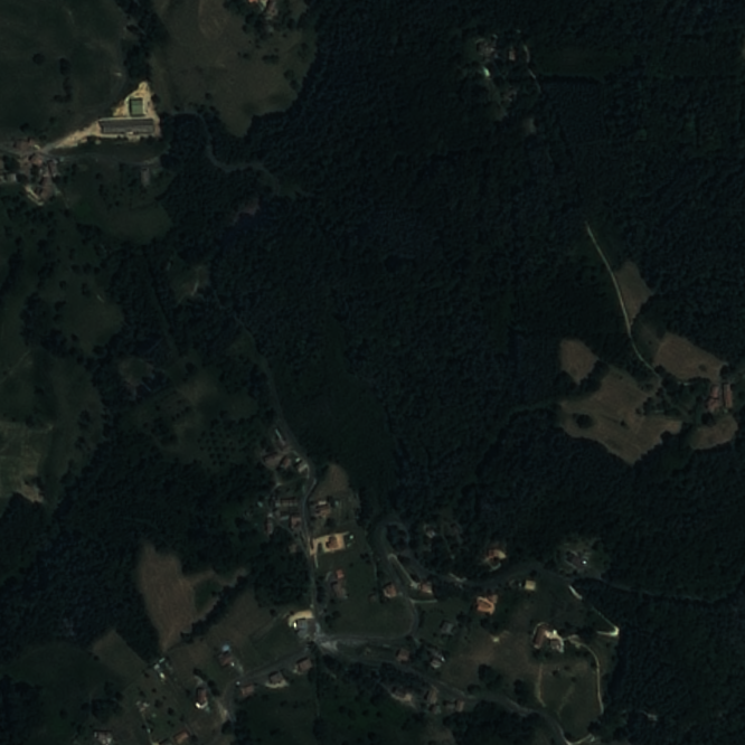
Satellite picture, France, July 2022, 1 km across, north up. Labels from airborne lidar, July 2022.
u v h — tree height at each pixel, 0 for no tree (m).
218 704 0
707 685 22
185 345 12
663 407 8
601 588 23
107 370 21
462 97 27
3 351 0
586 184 18
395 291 24
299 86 17
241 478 6
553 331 8
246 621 0
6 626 26
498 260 24
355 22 26
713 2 29
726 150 21
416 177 21
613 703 29
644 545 25
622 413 0
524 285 20
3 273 0
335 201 9
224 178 10
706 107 32
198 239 26
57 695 0
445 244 27
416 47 22
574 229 25
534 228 23
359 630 0
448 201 29
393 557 0
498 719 15
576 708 0
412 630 0
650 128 23
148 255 19
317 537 0
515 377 27
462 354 21
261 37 14
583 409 0
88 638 22
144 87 0
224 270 23
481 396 16
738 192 28
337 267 26
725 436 0
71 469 14
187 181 12
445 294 20
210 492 16
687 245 22
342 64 22
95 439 0
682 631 27
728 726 22
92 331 0
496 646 0
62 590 34
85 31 0
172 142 17
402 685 17
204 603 0
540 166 25
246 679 0
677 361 0
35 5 0
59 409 0
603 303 7
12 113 0
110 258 17
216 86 0
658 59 18
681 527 18
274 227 29
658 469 19
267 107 0
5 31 0
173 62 0
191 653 0
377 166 29
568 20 23
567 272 8
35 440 0
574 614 0
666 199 22
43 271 10
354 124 22
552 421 24
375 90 33
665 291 19
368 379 21
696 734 18
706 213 19
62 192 0
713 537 19
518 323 9
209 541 38
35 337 33
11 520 23
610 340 6
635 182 13
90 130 0
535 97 6
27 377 0
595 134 28
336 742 0
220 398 0
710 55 21
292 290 27
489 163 20
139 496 28
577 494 24
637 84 24
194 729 0
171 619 0
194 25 0
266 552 15
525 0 23
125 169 14
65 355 22
